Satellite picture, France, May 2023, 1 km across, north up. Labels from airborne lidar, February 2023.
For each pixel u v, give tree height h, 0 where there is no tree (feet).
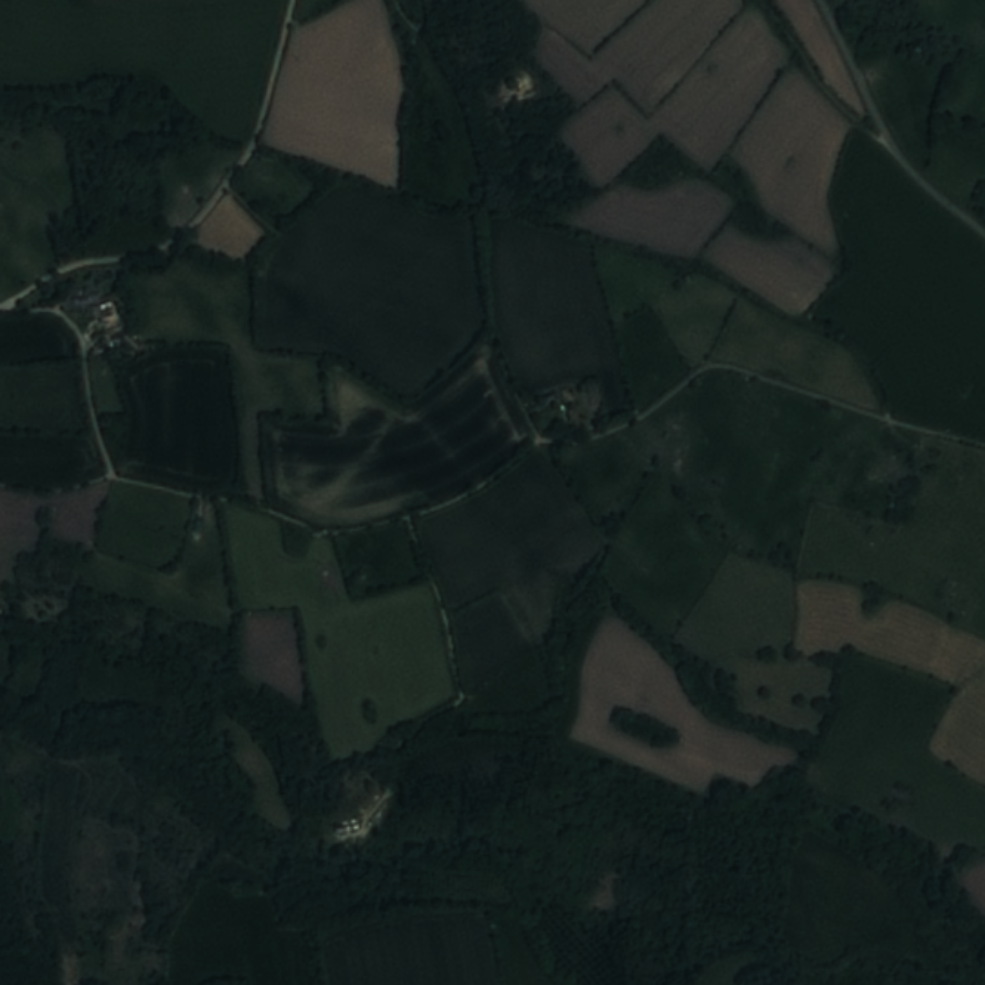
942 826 0
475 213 45
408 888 46
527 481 0
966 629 0
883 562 0
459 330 0
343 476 0
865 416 0
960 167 0
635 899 21
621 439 0
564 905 20
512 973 0
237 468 24
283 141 0
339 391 0
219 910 0
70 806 0
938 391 0
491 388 0
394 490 0
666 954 42
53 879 0
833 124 0
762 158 0
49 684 52
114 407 0
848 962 22
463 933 0
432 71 0
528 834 20
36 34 0
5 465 0
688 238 0
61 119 55
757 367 0
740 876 41
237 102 0
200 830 49
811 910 0
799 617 0
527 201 43
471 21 26
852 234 0
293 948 0
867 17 20
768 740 53
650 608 0
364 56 0
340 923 59
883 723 0
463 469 0
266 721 31
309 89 0
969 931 75
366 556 0
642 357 0
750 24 0
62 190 0
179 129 67
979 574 0
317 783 46
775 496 0
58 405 0
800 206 0
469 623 0
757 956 59
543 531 0
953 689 23
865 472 0
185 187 0
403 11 24
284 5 0
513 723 21
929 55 20
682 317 0
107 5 0
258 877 0
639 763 0
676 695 0
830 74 0
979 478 0
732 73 0
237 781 26
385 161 0
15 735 48
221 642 32
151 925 30
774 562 29
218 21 0
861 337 0
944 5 0
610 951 46
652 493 0
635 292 0
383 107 0
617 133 0
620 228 0
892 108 0
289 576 0
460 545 0
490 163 45
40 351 0
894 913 0
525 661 0
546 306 0
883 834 57
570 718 0
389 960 0
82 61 0
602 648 0
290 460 0
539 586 0
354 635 0
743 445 0
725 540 25
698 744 0
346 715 0
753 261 0
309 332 0
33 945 38
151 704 0
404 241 0
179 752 31
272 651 0
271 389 0
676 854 25
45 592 24
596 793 23
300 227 0
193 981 0
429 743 27
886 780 0
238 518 0
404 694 0
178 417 0
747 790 53
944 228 0
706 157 0
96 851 0
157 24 0
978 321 0
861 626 0
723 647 0
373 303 0
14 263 0
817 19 0
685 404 0
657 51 0
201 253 40
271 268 0
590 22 0
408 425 0
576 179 22
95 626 39
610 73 0
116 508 0
